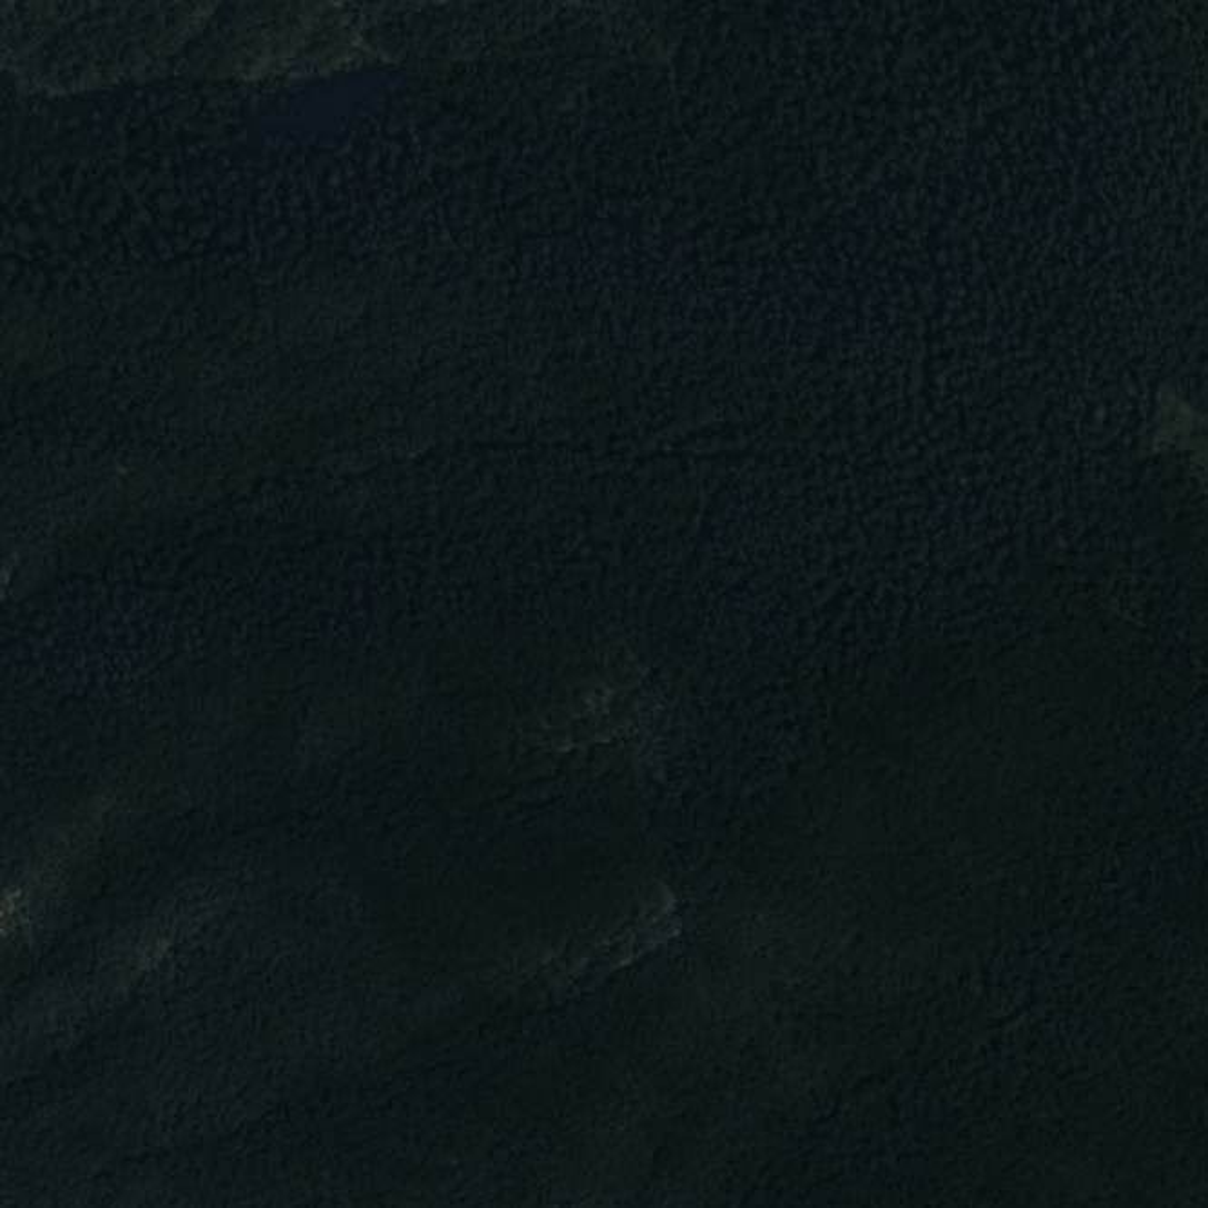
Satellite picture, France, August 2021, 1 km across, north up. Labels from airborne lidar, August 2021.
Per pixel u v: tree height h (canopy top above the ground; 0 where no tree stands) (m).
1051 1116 21
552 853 18
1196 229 20
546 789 19
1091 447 18
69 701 17
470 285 24
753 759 27
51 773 22
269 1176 17
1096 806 14
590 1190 12
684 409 28
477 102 22
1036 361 15
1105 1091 17
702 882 18
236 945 19
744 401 19
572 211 15
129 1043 21
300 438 20
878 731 16
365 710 15
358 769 23
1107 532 18
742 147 22
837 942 13
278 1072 12
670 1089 13
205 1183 16
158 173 22
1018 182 17
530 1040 19
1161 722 17
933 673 21
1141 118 25
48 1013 10
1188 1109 20
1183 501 17
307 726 16
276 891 16
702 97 21
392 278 25
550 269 28
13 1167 18
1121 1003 22
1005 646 17
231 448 19
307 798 27
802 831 17
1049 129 14
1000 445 25
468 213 31
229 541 30
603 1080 15
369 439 11
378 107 30
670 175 26
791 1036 8
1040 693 11
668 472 26
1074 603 21
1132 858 21
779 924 13
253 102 14
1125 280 14
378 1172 18
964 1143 23
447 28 16
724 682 27
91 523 19
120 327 19
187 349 19
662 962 12
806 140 24
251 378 14
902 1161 18
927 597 23
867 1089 26
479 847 20
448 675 15
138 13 14
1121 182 12
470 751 22
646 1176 13
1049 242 25
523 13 11
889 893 17
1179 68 7
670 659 17
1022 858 17
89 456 19
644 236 28
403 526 19
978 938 17
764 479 28
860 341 26
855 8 30
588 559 23
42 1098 22
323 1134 22
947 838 16
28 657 14
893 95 14
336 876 18
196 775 17
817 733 21
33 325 13
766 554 28
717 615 26
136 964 7
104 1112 18
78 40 20
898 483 25
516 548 28
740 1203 14
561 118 9
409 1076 21
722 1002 12
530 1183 13
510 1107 17
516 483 16
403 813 25
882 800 16
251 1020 15
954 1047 26
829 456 25
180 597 33
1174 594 14
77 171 17
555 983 10
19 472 16
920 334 33
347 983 14
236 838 22
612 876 17
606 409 15
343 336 17
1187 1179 20
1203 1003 21
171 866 18
